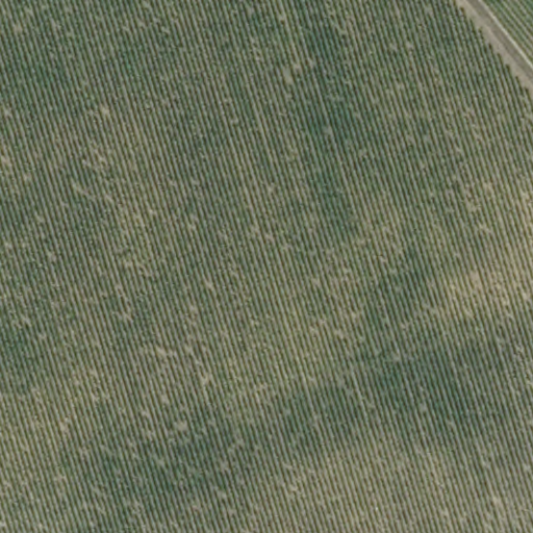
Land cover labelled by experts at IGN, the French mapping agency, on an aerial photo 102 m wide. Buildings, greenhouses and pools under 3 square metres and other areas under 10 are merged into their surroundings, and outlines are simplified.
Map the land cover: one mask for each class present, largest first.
<instances>
[{"label":"vineyard","instance_id":"1","mask_svg":"<svg viewBox=\"0 0 533 533\"><path fill-rule=\"evenodd\" d=\"M0 533H533V0H0Z\"/></svg>","mask_w":533,"mask_h":533}]
</instances>
